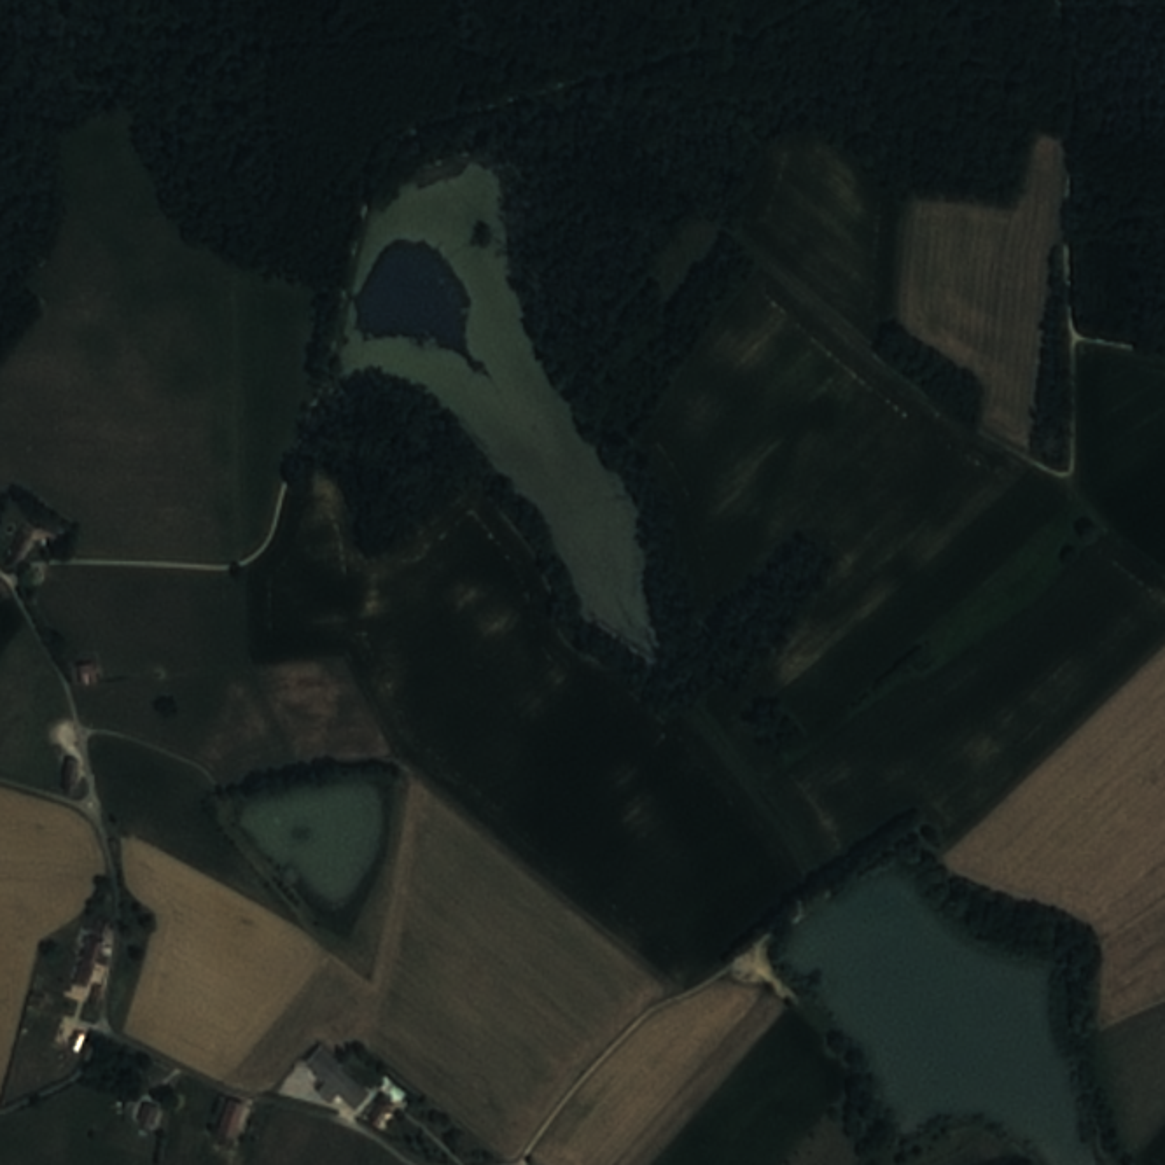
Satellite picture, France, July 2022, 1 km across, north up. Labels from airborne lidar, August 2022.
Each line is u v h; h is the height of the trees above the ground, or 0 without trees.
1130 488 0
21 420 0
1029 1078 0
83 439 0
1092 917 0
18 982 0
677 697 23
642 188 26
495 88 17
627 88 26
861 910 0
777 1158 0
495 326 0
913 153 17
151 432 0
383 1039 0
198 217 14
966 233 0
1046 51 22
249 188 24
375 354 0
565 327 26
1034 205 0
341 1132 0
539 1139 0
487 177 0
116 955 0
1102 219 24
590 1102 0
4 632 0
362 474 25
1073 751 0
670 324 8
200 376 0
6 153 24
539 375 0
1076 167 19
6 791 0
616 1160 0
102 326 0
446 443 26
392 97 16
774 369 0
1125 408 0
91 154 0
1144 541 0
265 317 0
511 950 0
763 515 0
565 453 0
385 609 0
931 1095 0
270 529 0
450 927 0
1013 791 0
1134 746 0
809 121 22
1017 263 0
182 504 0
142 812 0
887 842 18
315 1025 0
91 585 0
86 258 0
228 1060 0
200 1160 0
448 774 0
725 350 0
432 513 18
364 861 0
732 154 26
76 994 0
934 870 20
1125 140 24
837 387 0
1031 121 19
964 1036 0
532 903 0
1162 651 0
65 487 0
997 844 0
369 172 21
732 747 0
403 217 0
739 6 21
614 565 0
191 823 0
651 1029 0
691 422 0
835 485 0
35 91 12
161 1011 0
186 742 0
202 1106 0
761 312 0
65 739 0
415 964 0
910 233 0
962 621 0
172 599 0
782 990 0
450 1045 0
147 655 0
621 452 23
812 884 13
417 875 0
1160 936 0
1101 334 11
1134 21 21
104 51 28
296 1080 0
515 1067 0
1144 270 15
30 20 29
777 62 26
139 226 0
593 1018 0
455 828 0
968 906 15
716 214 17
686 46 15
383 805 0
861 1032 0
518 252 11
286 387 0
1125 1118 0
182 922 0
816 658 0
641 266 26
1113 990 0
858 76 26
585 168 28
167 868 0
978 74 24
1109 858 0
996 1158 0
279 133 11
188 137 21
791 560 21
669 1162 0
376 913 0
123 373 0
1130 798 0
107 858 0
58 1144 0
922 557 0
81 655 0
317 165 15
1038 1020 0
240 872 0
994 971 0
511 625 0
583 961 0
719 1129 0
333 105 16
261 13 18
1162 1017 0
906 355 14
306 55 14
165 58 21
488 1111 0
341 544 0
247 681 0
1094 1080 6
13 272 25
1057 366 11
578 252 28
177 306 0
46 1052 0
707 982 0
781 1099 0
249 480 0
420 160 23
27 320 15
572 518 0
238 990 0
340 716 0
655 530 26
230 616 0
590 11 27
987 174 21
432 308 0
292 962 0
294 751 0
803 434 0
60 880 0
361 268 0
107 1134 0
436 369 0
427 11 7
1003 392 0
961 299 0
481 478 16
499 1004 0
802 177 0
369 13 15
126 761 0
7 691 0
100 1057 7
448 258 0
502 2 23
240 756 0
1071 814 0
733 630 11
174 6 16
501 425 0
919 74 26
